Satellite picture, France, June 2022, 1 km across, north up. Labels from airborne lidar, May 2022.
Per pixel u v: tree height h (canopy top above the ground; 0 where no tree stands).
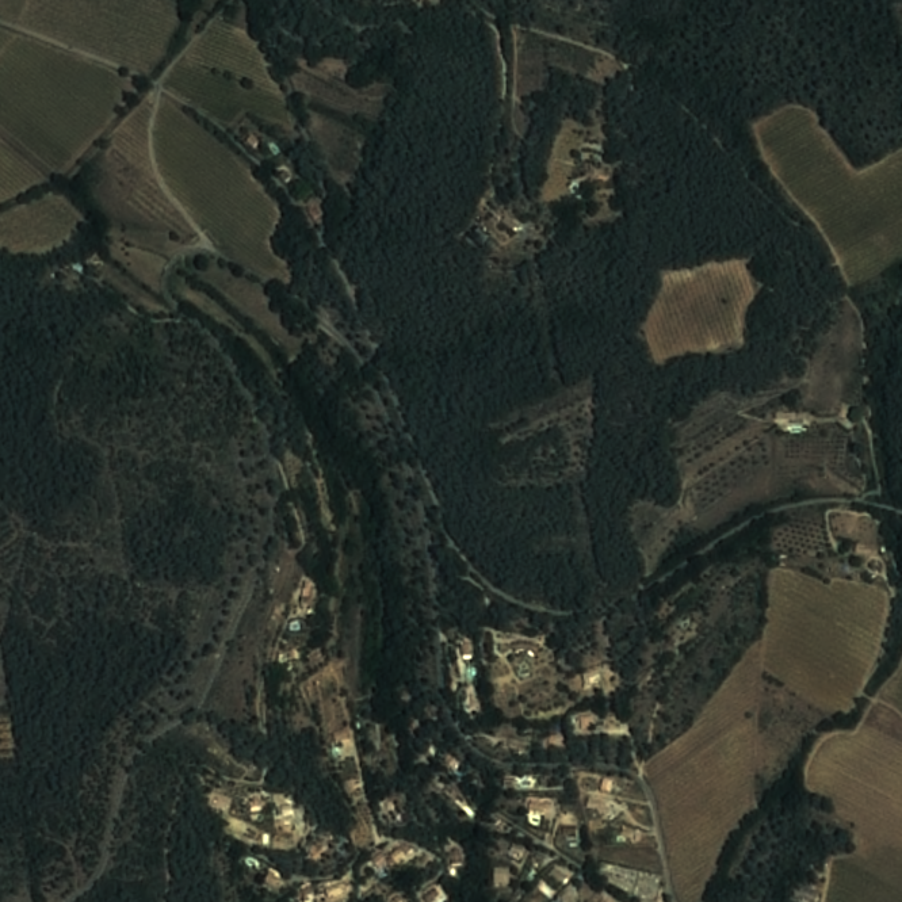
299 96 17
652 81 14
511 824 7
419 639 15
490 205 11
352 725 9
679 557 9
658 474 20
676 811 0
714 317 0
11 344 19
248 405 15
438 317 19
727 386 17
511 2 11
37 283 13
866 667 0
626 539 19
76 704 21
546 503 19
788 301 18
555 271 21
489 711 9
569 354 17
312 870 21
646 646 17
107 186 0
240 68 0
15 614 6
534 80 0
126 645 17
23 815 7
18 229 0
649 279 17
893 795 0
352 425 16
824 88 19
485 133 18
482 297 21
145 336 9
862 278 0
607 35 14
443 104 14
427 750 20
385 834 10
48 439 16
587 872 11
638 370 20
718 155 12
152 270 0
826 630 0
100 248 15
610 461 17
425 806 16
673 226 21
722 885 15
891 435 15
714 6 9
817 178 0
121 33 0
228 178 0
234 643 10
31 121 0
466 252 19
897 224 0
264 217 0
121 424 8
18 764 10
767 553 6
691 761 0
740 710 0
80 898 8
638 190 21
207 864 22
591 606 19
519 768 15
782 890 16
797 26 12
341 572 0
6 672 7
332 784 13
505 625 19
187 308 15
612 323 18
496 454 14
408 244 14
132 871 7
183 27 6
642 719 6
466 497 16
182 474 7
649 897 0
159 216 0
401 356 18
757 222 17
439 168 18
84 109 0
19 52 0
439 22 15
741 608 6
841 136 17
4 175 0
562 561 15
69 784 17
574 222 16
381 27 19
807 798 13
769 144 0
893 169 0
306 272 17
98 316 17
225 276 0
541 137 16
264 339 7
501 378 17
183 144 0
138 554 17
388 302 17
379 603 9
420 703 20
